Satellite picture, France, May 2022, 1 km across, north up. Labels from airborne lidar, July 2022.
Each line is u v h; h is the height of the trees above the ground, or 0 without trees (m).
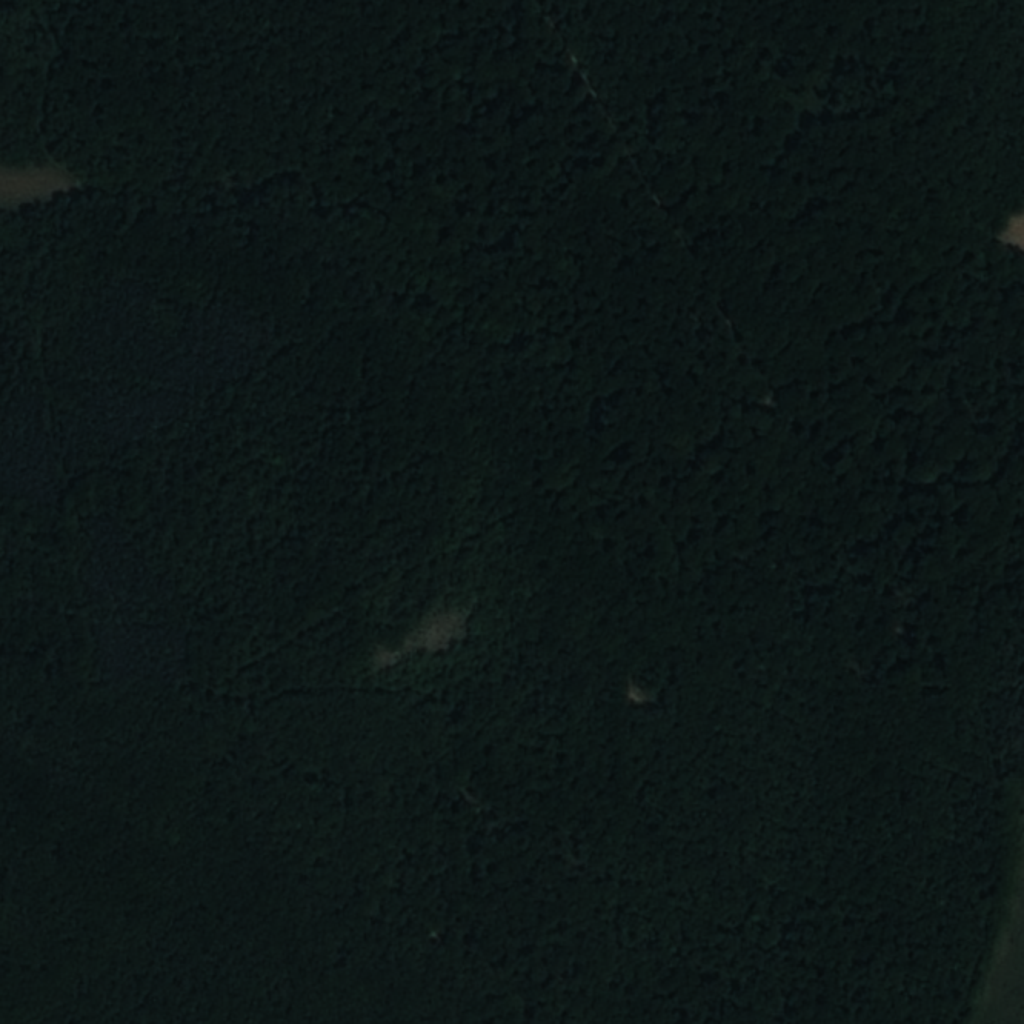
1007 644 20
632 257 24
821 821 19
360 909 19
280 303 22
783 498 28
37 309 16
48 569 19
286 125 16
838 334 26
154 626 12
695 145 27
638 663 20
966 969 19
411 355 20
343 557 12
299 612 12
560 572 23
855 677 16
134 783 19
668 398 29
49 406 14
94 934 16
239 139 16
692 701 18
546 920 21
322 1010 19
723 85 25
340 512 19
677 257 26
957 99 18
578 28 17
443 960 18
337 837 17
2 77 25
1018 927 0
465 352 25
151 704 16
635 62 22
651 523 29
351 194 20
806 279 29
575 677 21
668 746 21
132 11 21
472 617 8
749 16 23
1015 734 17
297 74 19
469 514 7
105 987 16
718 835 18
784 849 12
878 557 21
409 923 18
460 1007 16
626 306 26
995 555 25
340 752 16
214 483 9
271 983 16
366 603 13
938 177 22
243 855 19
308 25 17
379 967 18
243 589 12
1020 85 18
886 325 28
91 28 22
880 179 25
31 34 22
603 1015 21
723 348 28
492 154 25
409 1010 19
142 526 9
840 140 27
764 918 20
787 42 26
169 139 17
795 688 18
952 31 25
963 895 18
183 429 7
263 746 18
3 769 24
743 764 16
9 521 17
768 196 24
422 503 14
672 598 22
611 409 28
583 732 16
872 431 28
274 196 24
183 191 22
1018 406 22
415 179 29
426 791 20
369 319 23
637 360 28
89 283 12
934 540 23
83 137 20
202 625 19
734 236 25
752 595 22
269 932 17
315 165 22
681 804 17
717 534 22
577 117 19
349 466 16
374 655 8
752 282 27
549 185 26
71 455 14
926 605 26
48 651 19
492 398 19
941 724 17
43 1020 17
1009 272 21
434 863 18
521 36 22
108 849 19
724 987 20
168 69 22
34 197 0
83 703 21
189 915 17
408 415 16
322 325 21
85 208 21
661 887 18
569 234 26
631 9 19
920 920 18
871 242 29
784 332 27
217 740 21
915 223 28
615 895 19
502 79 27
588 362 24
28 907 15
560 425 24
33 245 19
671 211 24
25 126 14
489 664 13
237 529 9
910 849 20
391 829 19
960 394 22
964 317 20
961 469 25
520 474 26
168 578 11
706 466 31
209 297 11
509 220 25
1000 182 22
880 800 21
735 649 21
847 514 29
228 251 24
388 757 15
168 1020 16
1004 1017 0
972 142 20
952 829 14
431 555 11
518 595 14
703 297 26
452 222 26
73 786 18
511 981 15
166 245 25
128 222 26
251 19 17
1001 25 20
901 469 28
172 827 20
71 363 14
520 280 27
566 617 22
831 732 21
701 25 20
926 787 18
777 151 24
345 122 24
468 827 22
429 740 16
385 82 19
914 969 21
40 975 17
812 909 21
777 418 28
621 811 25
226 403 12
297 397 14
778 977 20
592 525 28
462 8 19
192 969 16
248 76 22
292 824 16
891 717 22
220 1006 19
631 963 19
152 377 13
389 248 24
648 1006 22
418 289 29
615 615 18
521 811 19
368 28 21
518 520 20
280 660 7
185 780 22
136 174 23
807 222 27
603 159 30
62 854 19
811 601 19
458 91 20
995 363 11
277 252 23
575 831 21
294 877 18
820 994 19
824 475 31
